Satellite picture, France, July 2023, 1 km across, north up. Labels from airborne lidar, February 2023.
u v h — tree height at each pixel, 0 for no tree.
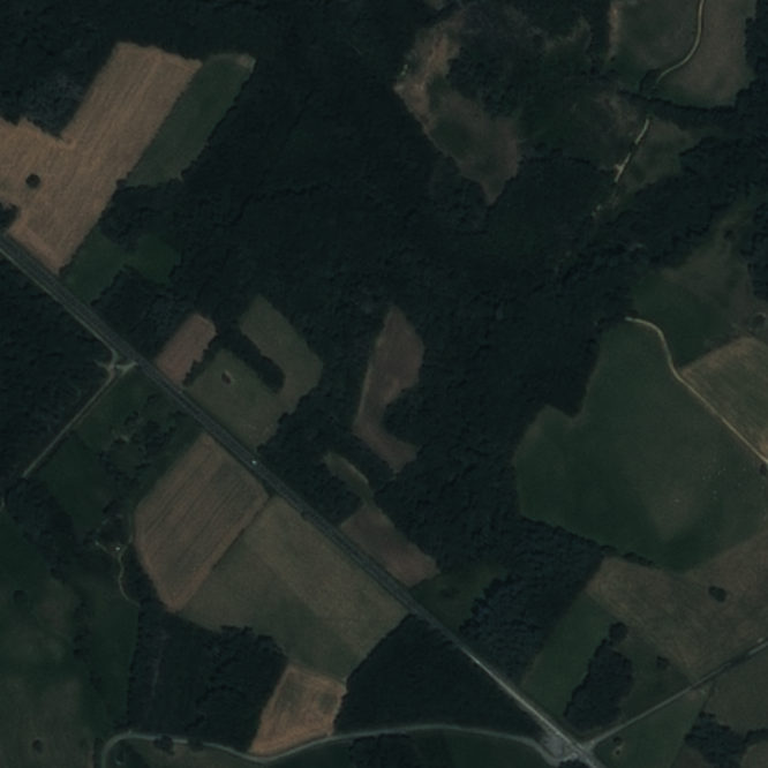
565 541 23
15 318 21
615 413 0
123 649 0
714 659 0
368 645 0
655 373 0
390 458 0
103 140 0
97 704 0
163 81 0
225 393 0
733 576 0
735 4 0
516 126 0
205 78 0
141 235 14
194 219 15
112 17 28
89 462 0
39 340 15
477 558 28
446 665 22
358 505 13
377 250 28
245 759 0
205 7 25
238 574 0
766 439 0
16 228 0
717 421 0
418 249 28
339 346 16
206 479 0
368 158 12
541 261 25
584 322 26
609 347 0
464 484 22
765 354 0
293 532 0
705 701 0
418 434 14
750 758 0
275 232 25
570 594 22
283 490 0
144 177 0
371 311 23
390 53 10
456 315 15
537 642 33
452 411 9
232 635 19
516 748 0
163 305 18
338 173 19
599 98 0
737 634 0
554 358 21
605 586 0
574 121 0
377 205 23
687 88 0
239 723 22
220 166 7
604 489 0
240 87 0
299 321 18
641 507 0
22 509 21
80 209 0
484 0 11
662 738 0
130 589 0
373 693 19
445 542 18
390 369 0
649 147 0
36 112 21
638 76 0
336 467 0
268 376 18
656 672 0
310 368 0
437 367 13
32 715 0
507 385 20
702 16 0
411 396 14
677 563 0
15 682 0
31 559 0
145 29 24
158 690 0
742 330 0
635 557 12
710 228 6
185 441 0
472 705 20
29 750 0
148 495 0
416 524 20
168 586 0
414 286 21
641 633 0
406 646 20
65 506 0
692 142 0
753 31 17
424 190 10
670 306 0
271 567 0
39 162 0
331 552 0
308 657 0
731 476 0
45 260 0
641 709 0
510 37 0
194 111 0
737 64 0
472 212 18
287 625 0
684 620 0
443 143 0
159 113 0
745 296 0
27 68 24
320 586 0
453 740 0
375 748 16
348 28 13
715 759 17
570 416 10
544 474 0
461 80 13
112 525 0
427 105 0
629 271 22
